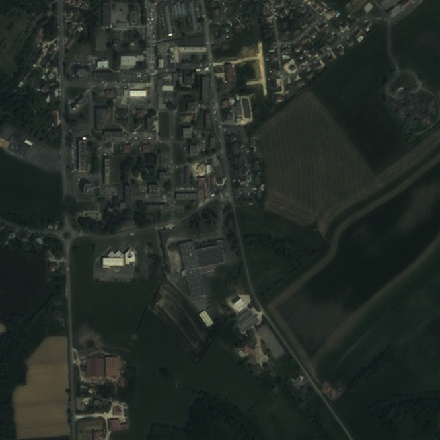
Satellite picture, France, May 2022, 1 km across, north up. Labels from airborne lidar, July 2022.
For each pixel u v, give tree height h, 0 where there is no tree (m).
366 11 0
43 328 0
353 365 0
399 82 0
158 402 0
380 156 0
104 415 0
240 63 0
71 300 0
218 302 0
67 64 11
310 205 0
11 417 21
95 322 0
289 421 0
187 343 0
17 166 0
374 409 11
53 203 0
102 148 0
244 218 0
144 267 0
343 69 0
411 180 0
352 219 0
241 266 8
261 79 0
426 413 21
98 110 0
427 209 0
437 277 0
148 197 0
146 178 20
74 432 0
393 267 0
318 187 0
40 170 0
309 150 0
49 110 8
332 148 0
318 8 0
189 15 0
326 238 0
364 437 0
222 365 0
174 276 0
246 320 0
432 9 0
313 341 0
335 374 0
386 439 0
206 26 0
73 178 0
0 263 0
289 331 0
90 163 0
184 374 0
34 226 0
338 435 0
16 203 0
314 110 0
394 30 0
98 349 0
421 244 0
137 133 0
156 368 0
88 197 0
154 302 0
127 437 0
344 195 0
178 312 0
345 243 0
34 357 0
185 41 0
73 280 0
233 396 0
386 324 0
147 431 0
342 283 0
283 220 0
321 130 0
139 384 0
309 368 0
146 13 8
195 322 0
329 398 0
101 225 15
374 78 0
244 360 7
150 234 0
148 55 0
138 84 0
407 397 7
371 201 0
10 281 0
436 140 0
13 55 0
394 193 0
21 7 8
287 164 0
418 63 0
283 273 0
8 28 6
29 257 0
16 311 0
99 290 0
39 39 0
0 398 0
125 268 0
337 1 0
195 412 26
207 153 12
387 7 0
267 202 0
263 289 0
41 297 0
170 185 15
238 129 0
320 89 0
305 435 0
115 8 0
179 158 0
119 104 0
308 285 0
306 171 0
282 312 0
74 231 0
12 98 24
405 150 0
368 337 0
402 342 0
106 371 0
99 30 0
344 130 0
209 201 0
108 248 0
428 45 0
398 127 0
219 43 0
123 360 0
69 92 0
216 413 23
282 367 0
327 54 0
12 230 0
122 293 0
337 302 0
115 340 0
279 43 0
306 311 0
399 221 0
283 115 0
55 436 0
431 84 0
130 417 0
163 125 0
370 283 0
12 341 22
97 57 0
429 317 0
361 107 0
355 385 15
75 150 0
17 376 19
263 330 0
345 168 0
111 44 12
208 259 0
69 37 6
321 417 0
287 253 11
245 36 0
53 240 10
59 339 0
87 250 0
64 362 0
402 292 0
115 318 0
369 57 0
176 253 0
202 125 0
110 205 13
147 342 0
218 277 0
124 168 21
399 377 0
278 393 0
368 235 0
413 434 14
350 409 0
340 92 0
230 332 0
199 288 0
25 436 0
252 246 13
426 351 0
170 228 0
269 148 0
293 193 0
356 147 0
